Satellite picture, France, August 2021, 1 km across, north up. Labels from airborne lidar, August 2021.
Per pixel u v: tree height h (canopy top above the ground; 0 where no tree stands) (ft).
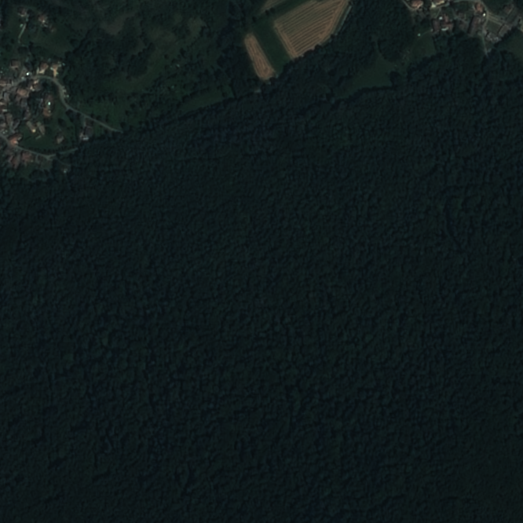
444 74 66
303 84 61
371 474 69
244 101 64
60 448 73
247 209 68
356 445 73
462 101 58
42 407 41
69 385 82
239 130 78
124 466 76
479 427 67
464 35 53
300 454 92
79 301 49
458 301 76
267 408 77
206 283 60
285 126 79
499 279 67
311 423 89
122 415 76
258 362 71
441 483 88
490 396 64
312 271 73
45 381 62
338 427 77
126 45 22
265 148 68
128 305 62
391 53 60
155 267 61
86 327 75
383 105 77
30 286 63
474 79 50
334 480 66
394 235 68
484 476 65
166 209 52
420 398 68
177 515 70
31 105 31
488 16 0
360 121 60
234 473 96
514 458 66
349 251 55
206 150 53
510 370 72
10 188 53
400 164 51
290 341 70
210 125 62
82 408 65
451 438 73
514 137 77
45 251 75
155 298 73
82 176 68
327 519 70
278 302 66
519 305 73
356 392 94
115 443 83
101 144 43
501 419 75
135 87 0
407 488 59
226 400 80
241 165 41
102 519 63
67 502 56
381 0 53
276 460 84
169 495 88
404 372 80
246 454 102
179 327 73
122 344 98
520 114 94
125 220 49
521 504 77
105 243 63
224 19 0
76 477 58
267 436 84
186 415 89
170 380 60
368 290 79
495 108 61
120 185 55
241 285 60
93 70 29
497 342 78
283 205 61
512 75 63
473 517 53
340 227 54
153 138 50
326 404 97
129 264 58
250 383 78
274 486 92
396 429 67
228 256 61
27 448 79
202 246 58
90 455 76
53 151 19
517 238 79
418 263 71
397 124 69
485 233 71
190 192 47
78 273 81
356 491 65
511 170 84
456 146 74
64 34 0
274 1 0
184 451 88
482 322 96
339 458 76
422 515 85
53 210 92
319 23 0
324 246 51
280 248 71
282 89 56
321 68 65
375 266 77
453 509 64
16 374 64
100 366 89
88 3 34
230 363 77
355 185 52
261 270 67
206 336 66
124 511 66
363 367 89
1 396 68
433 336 52
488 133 79
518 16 0
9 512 75
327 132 63
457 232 81
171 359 68
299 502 84
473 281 73
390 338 71
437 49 24
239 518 79
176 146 49
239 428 91
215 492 28
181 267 46
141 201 50
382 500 66
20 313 49
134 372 88
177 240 51
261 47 0
